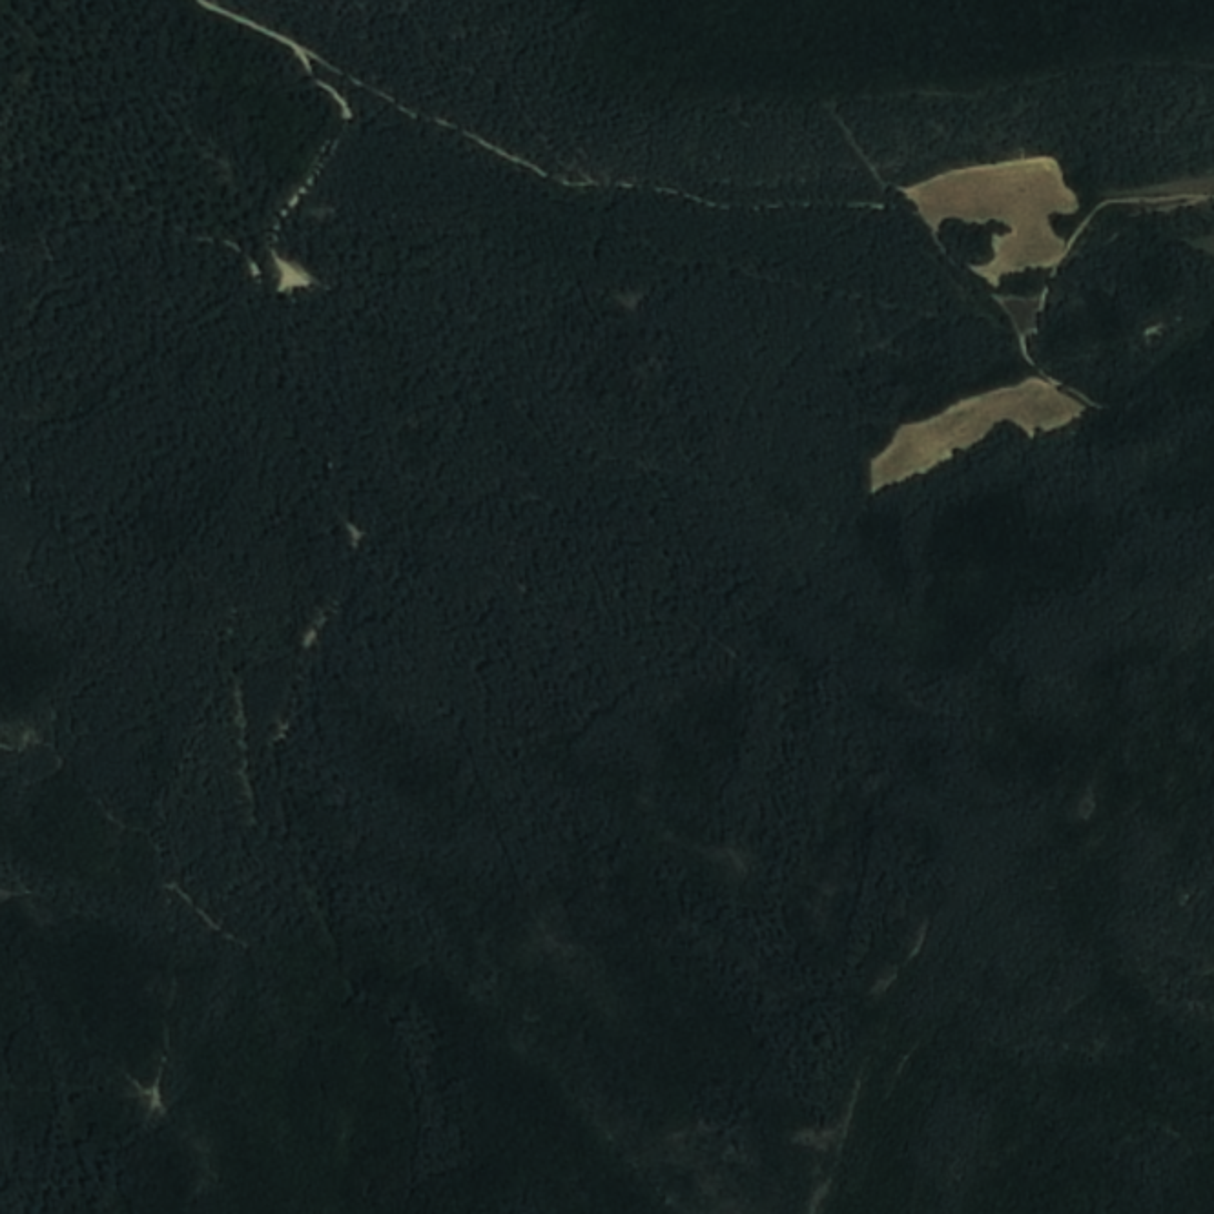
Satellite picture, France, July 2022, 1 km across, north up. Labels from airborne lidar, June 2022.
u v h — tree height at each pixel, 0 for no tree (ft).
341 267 38
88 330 69
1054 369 21
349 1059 27
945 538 23
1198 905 36
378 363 47
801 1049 52
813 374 56
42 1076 34
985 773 21
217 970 33
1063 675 50
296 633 61
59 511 60
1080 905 31
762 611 56
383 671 47
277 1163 26
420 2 27
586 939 18
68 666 28
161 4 71
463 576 61
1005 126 23
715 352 55
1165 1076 45
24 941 27
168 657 56
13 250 48
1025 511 38
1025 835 35
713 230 52
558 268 62
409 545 51
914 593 39
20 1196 58
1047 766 21
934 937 40
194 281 61
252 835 63
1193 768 31
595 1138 27
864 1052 24
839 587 43
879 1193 28
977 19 40
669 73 26
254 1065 29
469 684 58
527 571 50
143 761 32
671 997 23
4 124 64
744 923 43
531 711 44
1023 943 55
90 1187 64
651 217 64
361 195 53
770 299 47
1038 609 46
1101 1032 33
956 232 30
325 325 56
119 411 68
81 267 62
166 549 38
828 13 30
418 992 40
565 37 53
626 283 58
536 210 71
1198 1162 32
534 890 40
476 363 52
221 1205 24
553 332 42
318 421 84
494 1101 31
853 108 37
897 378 22
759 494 31
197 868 40
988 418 0
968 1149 41
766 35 26
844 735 53
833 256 60
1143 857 26
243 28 51
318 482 73
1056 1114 42
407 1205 46
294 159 42
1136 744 33
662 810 19
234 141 61
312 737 45
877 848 55
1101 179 32
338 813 44
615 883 19
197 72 55
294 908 61
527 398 49
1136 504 26
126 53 78
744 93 23
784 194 40
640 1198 36
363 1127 43
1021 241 0
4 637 27
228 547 64
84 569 58
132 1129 25
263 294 66
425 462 31
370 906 56
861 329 28
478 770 45
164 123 65
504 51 53
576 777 21
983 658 22
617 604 53
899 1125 45
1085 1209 33
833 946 19
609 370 36
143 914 30
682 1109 31
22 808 25
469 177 61
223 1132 31
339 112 22
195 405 55
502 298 46
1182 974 22
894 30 27
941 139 21
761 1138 19
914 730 40
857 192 29
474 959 22
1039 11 27
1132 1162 39
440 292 56
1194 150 47
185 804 48
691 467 40
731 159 35
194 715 43
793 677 62
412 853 34
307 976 31
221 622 29
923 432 0
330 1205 27
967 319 45
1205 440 26
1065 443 31
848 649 44
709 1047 25
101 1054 26
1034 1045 28
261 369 52
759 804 43
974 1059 23
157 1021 24
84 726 54
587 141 40
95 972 20
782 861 41
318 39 54
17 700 17
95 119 62
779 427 38
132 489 65
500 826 53
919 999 50
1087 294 29
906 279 48
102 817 35
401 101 49
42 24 78
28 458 46
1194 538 44
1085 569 21
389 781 21
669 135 47
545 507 55
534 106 49
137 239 65
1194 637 32
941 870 53
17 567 31
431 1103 66
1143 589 31
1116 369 39
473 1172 39
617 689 52
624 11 38
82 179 61
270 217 68
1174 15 26
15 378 56
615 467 42
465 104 56
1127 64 23
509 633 50
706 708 28
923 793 43
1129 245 32
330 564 78
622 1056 22
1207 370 23
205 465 61
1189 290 39
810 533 33
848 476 36
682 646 49
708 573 66
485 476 47
